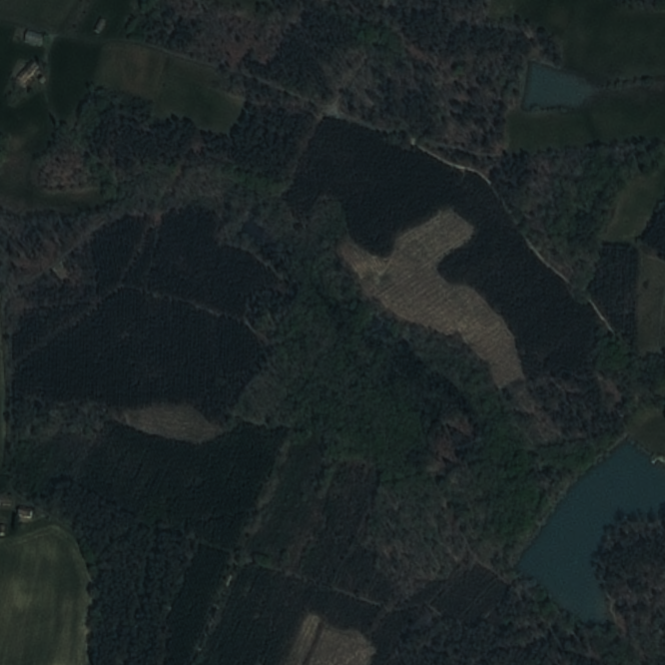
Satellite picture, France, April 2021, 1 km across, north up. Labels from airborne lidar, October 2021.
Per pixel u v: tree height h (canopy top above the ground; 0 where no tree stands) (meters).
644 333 0
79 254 8
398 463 17
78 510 20
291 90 17
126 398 12
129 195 13
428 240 0
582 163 15
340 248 18
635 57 0
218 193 20
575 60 0
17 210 0
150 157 20
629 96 0
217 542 10
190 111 0
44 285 6
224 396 11
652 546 23
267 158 20
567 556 0
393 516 18
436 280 0
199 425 0
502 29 13
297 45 19
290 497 8
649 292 0
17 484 6
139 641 23
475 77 6
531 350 12
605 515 0
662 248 11
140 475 9
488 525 16
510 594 14
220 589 12
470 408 17
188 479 10
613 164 18
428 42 25
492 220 9
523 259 10
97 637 12
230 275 12
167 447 11
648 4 19
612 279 12
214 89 8
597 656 18
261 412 18
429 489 18
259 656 8
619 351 20
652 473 0
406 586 14
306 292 22
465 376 22
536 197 13
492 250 11
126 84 0
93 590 18
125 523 22
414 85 16
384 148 12
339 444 19
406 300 0
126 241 10
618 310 7
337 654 0
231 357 13
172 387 10
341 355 21
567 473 12
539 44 15
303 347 19
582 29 0
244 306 12
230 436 8
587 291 9
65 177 16
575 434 20
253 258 12
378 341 16
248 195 19
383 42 27
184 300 11
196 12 13
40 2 0
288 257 17
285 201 9
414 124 27
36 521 0
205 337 10
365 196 10
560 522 0
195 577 13
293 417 19
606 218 19
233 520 12
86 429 15
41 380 11
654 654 17
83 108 18
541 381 17
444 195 11
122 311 11
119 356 12
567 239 14
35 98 0
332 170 13
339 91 14
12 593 0
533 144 0
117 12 0
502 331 0
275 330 18
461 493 12
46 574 0
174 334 12
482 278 9
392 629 7
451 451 8
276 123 18
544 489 22
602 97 0
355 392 21
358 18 28
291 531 5
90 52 0
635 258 10
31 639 0
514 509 23
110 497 11
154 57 0
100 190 9
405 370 20
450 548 16
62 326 8
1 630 0
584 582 0
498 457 22
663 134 0
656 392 20
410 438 19
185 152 21
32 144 0
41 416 20
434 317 0
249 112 18
